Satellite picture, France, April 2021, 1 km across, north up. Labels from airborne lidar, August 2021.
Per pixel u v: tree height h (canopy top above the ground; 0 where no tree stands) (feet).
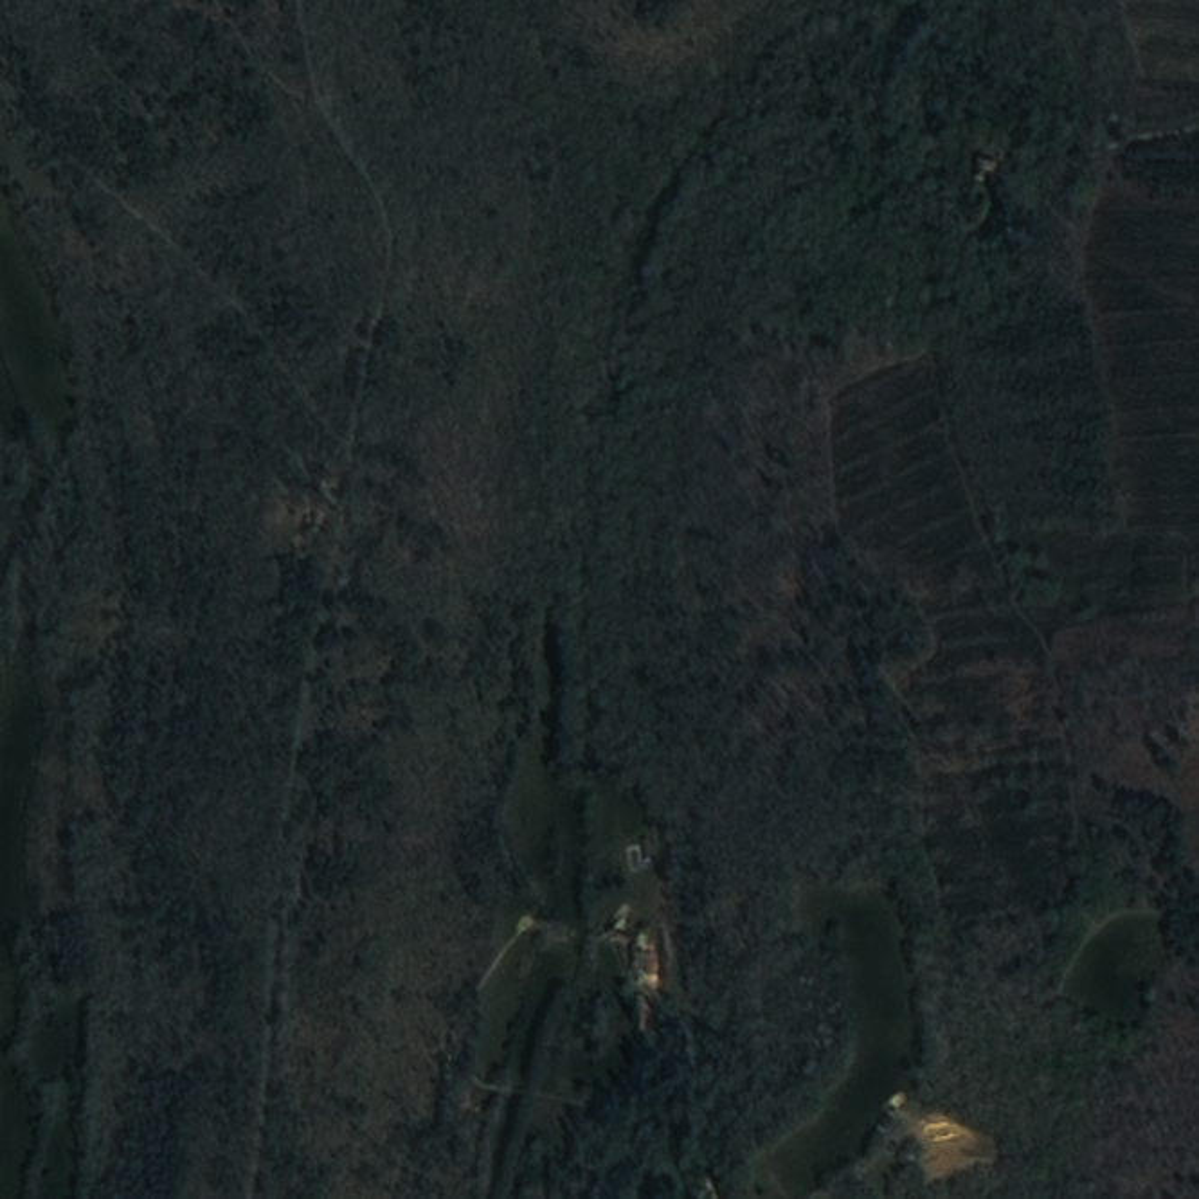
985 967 34
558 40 44
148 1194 55
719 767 45
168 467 48
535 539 74
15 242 0
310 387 37
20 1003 39
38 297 0
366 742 44
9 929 0
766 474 23
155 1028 41
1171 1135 34
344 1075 46
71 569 69
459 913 38
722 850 69
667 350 49
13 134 24
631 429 77
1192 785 0
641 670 42
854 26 34
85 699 70
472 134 56
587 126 62
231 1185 49
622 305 39
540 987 0
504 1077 58
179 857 47
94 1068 59
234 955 49
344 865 73
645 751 50
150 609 52
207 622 51
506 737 36
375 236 52
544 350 73
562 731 91
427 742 60
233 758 39
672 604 52
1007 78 75
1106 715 30
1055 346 64
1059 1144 52
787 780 61
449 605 74
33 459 87
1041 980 41
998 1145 46
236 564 42
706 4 45
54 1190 0
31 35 46
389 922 61
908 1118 40
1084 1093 40
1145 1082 34
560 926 62
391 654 30
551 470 86
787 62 52
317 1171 43
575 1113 0
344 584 41
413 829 58
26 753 0
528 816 0
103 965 71
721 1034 54
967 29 71
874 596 84
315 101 31
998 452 57
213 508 39
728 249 52
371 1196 35
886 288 87
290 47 42
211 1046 39
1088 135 40
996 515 39
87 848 71
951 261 71
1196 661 20
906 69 87
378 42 51
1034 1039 52
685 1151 66
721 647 52
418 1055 24
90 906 66
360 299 51
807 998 57
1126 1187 57
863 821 73
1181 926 69
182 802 52
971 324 77
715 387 52
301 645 43
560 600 81
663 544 52
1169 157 32
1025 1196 88
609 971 0
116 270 37
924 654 85
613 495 84
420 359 49
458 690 46
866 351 39
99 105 55
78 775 76
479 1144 52
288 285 41
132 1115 38
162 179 56
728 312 56
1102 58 94
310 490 43
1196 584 52
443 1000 51
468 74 43
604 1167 60
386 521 58
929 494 18
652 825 39
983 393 71
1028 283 64
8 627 108
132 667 46
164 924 35
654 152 61
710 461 63
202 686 66
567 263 70
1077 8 61
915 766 78
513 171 46
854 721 85
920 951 47
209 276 26
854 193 54
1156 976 34
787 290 62
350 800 58
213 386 32
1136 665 68
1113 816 57
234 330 60
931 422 20
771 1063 76
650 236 19
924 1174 45
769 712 33
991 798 48
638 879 0
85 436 56
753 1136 69
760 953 53
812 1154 0
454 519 63
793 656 34
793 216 53
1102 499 32
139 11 38
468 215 58
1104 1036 64
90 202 47
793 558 80
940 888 21
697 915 43
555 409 93
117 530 47
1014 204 73
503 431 52
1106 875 71
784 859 71
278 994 36
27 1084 31
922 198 47
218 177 63
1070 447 46
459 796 60
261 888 56
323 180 35
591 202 75
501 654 24
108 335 54
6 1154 0
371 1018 55
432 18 79
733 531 67
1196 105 27
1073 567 34
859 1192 58
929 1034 67
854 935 0
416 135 59
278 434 38
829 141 23
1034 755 69
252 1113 39
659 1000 47
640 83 25
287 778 44
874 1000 0
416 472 66
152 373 55
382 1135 37
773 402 35
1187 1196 24
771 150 26
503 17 79
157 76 51
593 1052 55
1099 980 0
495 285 53
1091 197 54
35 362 0
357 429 45
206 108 33
